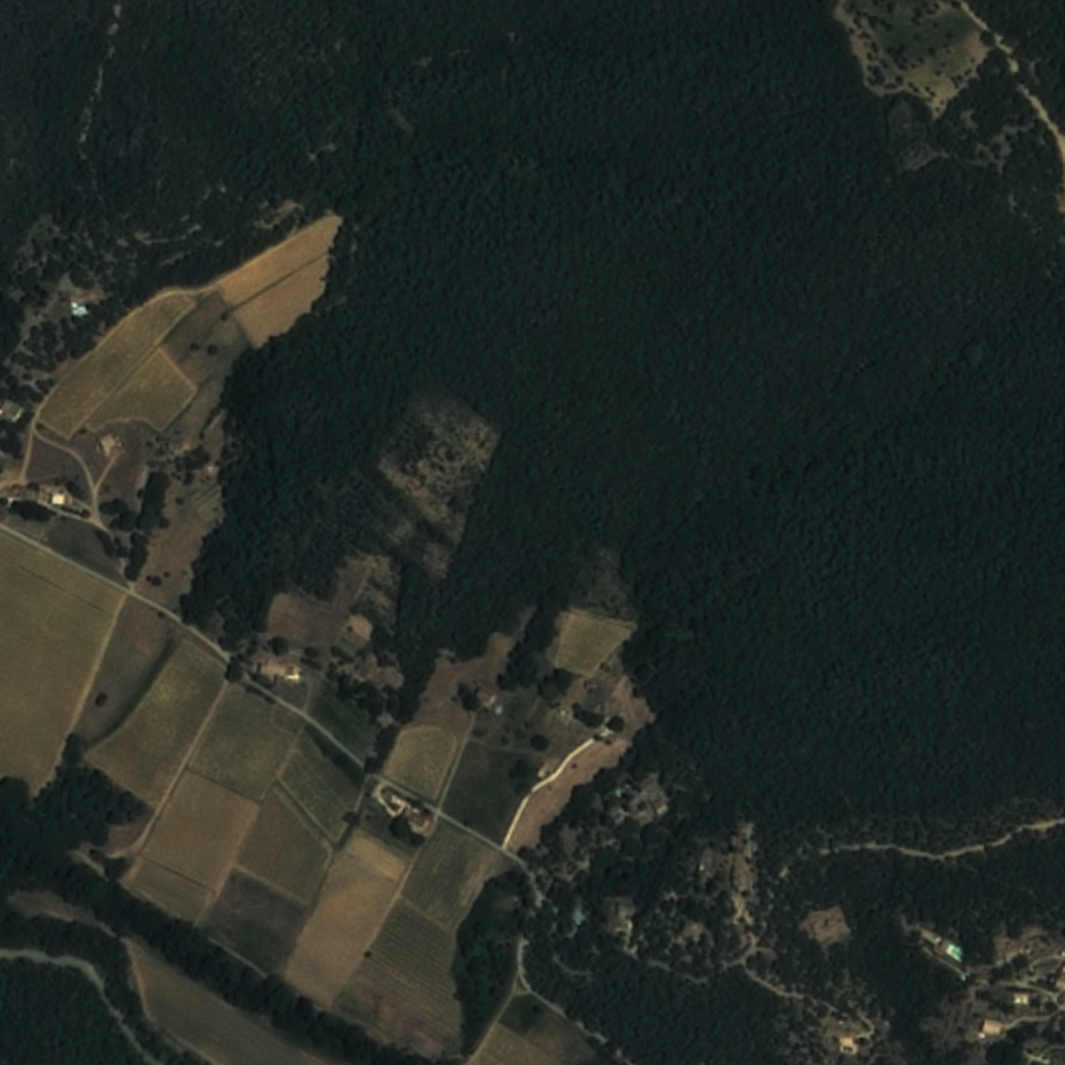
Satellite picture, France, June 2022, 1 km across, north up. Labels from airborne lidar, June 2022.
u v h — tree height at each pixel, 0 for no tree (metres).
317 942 0
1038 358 10
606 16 6
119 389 0
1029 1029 9
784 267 7
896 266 7
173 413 0
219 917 0
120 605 0
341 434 9
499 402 12
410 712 14
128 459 0
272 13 7
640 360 14
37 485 9
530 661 16
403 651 12
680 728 11
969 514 10
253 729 0
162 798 0
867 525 8
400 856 0
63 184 11
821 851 12
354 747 0
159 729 0
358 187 12
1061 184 7
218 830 0
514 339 8
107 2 7
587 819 11
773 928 9
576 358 9
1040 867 8
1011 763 7
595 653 0
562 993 11
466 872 0
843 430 12
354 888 0
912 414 17
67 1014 10
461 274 10
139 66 9
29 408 10
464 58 8
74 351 9
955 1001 9
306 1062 0
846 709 9
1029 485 15
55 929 14
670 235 11
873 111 10
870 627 7
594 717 15
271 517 12
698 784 11
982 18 11
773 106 9
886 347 11
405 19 10
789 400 14
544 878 7
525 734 10
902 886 11
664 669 13
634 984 9
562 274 10
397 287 12
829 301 11
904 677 10
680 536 22
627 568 14
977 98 11
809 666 10
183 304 0
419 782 0
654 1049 12
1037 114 12
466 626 5
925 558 9
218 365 0
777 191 10
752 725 10
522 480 12
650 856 12
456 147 16
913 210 8
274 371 13
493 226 12
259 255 7
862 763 6
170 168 9
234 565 10
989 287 8
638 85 12
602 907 8
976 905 8
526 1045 0
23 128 7
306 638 0
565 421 11
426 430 6
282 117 11
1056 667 9
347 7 13
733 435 8
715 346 10
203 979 14
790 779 11
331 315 11
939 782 7
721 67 10
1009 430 14
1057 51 13
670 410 13
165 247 9
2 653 0
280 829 0
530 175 14
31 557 0
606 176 11
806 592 13
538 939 9
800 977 8
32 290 7
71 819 14
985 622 11
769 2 9
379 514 9
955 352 14
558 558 14
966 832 8
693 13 6
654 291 11
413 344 11
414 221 10
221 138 10
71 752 8
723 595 8
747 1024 6
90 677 0
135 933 14
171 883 0
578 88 12
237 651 13
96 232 13
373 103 11
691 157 7
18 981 12
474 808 0
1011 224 9
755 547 13
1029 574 11
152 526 15
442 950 0
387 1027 0
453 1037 0
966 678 7
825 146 10
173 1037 0
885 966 10
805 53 8
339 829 0
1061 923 7
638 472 9
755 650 9
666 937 8
